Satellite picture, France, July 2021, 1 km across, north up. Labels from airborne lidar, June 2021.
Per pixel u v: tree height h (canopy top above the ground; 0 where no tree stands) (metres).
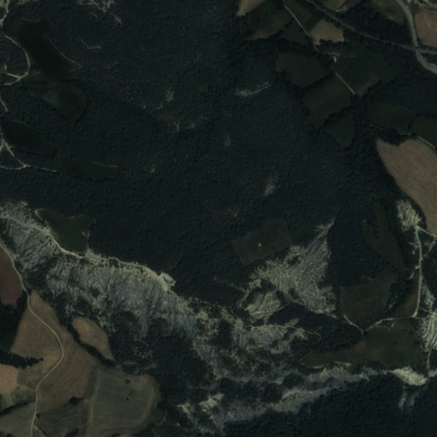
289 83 16
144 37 10
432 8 0
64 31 9
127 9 8
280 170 8
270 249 0
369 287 0
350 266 11
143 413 0
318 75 0
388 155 0
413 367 6
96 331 0
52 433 0
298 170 10
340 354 0
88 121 11
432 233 0
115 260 6
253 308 0
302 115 12
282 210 14
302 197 11
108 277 0
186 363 10
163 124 6
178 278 11
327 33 0
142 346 9
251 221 9
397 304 8
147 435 6
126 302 0
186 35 8
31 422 0
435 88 21
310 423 12
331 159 9
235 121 10
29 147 0
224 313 0
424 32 0
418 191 0
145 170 6
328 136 13
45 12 12
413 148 0
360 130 18
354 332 12
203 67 12
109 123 12
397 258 0
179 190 13
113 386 0
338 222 10
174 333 7
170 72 10
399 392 10
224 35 14
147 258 8
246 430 8
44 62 0
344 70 0
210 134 10
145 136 14
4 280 0
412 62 18
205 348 0
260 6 0
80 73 8
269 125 7
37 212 0
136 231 12
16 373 0
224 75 14
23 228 0
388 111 0
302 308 7
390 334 0
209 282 12
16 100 8
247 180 10
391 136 16
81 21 9
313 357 0
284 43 27
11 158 7
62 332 0
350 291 0
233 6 13
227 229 13
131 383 0
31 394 0
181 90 8
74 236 0
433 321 0
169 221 12
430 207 0
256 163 9
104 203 14
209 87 9
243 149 9
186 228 7
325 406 10
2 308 9
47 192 11
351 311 0
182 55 8
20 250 0
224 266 9
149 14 8
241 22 12
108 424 0
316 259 0
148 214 9
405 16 0
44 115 13
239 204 10
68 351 0
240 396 6
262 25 0
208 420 6
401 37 14
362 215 6
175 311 0
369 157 20
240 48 17
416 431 11
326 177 10
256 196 10
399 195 7
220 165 10
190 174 13
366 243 8
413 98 12
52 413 0
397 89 14
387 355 0
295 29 0
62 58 0
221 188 10
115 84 6
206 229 11
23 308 11
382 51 20
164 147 7
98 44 7
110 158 13
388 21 8
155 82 7
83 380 0
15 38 0
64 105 0
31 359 7
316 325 7
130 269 0
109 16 6
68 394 0
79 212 12
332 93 0
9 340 0
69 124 8
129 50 9
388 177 16
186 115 6
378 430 13
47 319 0
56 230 0
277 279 0
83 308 6
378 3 0
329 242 7
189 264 10
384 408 7
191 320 0
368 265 8
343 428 11
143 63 7
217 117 9
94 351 12
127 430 0
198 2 7
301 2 20
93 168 0
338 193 13
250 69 9
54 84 0
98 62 7
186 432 7
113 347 9
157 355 6
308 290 0
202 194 11
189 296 8
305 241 8
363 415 11
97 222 7
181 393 9
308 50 17
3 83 7
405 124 0
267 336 0
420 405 9
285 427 8
